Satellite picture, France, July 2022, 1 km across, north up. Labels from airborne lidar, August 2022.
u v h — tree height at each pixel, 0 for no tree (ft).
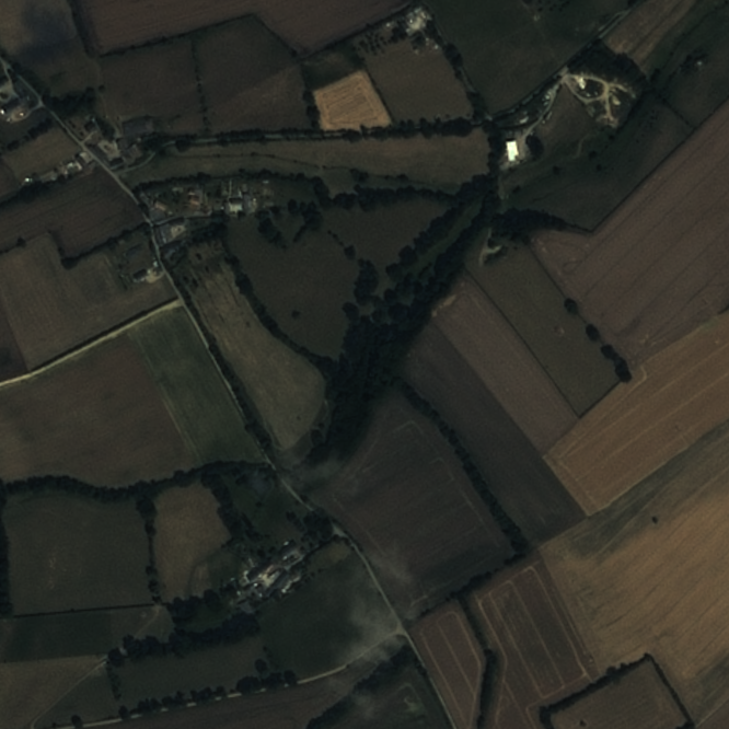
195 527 0
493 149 35
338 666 0
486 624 0
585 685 0
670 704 0
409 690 0
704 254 0
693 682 0
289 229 0
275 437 0
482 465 0
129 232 36
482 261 0
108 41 0
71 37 0
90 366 0
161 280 0
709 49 0
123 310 0
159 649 74
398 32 27
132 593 0
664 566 0
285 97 0
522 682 0
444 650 0
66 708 0
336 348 0
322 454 35
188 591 0
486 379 0
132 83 0
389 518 0
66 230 0
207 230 21
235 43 0
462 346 0
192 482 42
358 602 0
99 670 0
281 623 0
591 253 0
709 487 0
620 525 0
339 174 0
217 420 0
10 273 0
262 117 0
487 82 0
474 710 0
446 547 0
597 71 0
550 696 0
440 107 0
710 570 0
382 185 0
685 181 0
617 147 0
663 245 0
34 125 0
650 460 0
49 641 0
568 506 0
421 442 0
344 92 0
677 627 0
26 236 0
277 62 0
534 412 0
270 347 0
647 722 0
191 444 0
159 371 0
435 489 0
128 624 0
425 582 0
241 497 0
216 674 0
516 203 0
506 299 0
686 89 0
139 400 0
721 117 0
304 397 0
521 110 24
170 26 0
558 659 0
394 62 0
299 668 0
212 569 0
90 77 0
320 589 0
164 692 0
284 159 0
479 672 0
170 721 0
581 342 0
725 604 0
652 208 0
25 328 0
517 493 0
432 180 0
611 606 0
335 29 0
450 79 0
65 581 0
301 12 0
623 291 0
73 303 0
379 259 0
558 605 0
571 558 0
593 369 0
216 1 0
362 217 0
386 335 76
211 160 0
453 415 0
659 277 0
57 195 0
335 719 46
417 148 0
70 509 0
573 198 0
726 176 0
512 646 0
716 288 0
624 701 0
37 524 0
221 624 0
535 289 0
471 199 55
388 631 0
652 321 0
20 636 0
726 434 0
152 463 0
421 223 0
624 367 54
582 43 0
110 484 0
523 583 0
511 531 48
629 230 0
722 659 0
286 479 28
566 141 0
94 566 0
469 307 0
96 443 0
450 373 0
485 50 0
